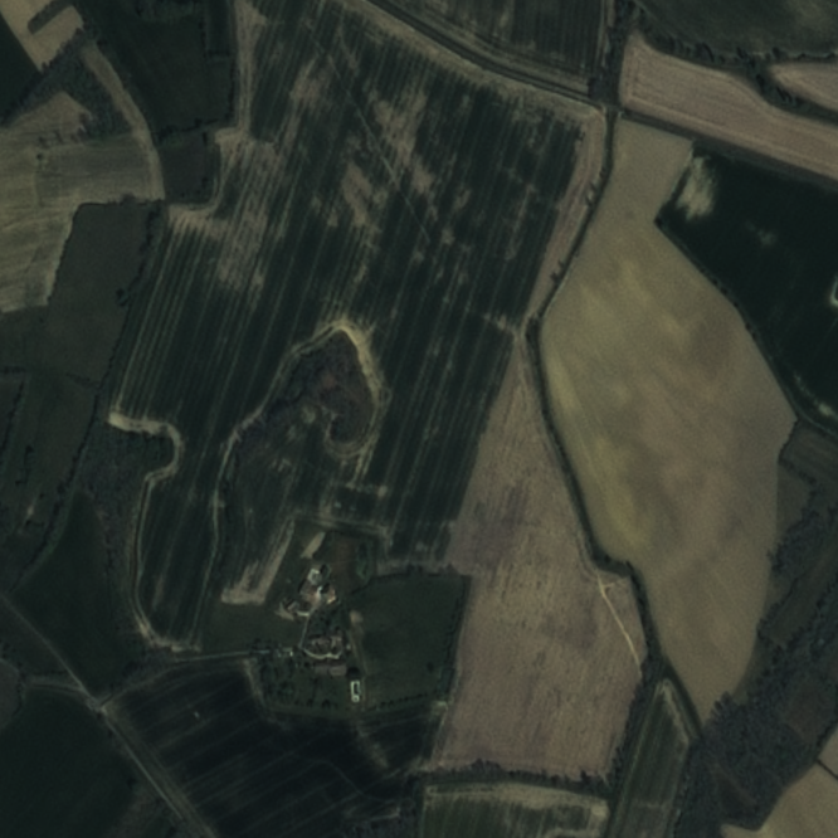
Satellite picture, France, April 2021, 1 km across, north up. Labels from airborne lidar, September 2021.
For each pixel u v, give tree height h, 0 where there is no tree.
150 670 16
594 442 0
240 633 0
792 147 0
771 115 0
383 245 0
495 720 0
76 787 0
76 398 0
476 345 0
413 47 0
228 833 0
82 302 0
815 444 0
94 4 0
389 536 0
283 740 0
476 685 0
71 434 0
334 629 8
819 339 0
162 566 0
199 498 0
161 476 0
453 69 0
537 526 0
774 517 0
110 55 21
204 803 0
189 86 0
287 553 0
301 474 0
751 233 0
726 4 0
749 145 0
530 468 0
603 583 0
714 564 0
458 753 0
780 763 19
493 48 0
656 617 0
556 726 0
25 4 0
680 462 0
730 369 0
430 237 0
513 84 0
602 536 0
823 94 0
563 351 0
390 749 0
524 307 0
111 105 20
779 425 0
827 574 0
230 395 0
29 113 17
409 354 0
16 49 0
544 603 0
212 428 0
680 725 0
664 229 18
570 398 0
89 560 0
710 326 0
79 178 0
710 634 0
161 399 0
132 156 0
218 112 0
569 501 0
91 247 0
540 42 0
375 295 0
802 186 0
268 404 0
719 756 23
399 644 0
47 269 0
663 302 0
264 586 0
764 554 0
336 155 0
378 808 0
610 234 0
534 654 0
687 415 0
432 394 0
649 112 0
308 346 0
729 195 0
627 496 0
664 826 0
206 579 0
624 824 0
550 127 0
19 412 8
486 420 0
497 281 0
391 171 0
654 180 0
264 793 0
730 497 0
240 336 0
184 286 0
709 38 0
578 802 0
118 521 17
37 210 0
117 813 0
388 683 0
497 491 0
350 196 0
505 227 0
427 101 0
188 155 0
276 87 0
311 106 0
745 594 0
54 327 0
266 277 0
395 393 0
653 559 0
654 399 0
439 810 0
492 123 0
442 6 0
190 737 0
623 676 0
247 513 0
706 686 0
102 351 0
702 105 0
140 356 0
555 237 0
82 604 0
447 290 0
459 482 0
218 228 0
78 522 0
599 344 0
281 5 0
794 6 0
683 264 0
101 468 12
